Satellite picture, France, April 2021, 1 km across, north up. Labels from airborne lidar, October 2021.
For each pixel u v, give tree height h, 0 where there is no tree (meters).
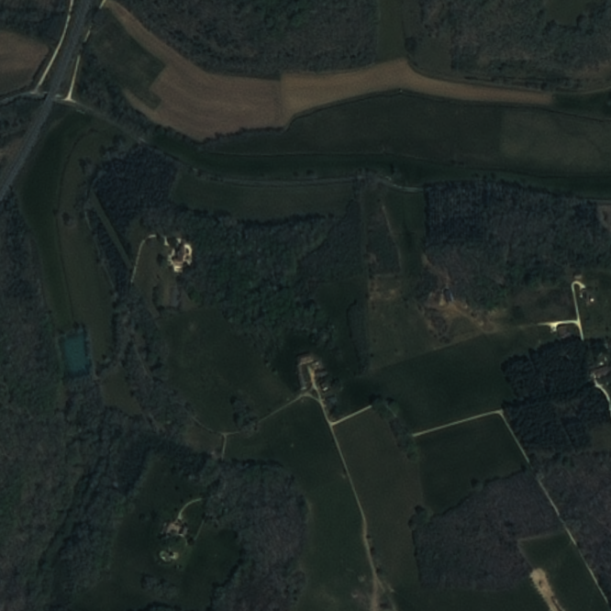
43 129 6
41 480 26
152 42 0
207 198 0
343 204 0
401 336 0
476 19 19
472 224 0
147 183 15
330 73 15
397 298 0
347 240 9
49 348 16
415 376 0
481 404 0
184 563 0
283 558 22
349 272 11
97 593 0
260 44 14
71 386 23
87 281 0
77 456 30
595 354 12
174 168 14
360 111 0
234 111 0
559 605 0
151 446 8
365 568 0
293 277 14
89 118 0
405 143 0
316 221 17
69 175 0
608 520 11
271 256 22
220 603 17
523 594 0
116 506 25
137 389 14
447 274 13
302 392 9
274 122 0
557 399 20
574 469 17
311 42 18
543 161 0
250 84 0
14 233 16
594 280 0
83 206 7
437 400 0
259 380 0
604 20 14
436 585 9
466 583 11
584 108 0
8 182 0
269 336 21
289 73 19
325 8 17
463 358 0
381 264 11
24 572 21
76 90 0
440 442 0
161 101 0
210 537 0
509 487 13
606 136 0
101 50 0
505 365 0
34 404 26
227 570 0
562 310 0
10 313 19
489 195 18
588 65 18
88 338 14
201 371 0
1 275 20
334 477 0
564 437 8
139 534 0
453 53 10
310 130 0
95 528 19
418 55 0
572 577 0
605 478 7
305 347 0
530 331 0
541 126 0
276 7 15
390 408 15
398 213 0
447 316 0
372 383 0
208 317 0
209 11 15
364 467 0
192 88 0
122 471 7
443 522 11
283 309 22
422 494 0
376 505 0
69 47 0
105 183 14
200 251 23
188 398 0
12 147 8
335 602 0
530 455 20
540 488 16
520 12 20
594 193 0
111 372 15
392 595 0
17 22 13
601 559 16
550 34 22
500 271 18
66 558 13
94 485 20
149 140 24
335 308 0
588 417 7
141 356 14
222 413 0
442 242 9
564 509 13
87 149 0
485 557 9
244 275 27
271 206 0
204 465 6
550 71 14
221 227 24
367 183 11
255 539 20
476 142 0
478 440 0
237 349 0
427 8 17
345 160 0
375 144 0
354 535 0
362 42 12
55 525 15
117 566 0
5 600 10
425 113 0
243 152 0
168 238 14
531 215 18
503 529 6
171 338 0
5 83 0
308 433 0
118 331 20
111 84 11
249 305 24
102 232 15
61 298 0
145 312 21
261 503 17
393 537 0
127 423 17
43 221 0
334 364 0
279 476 20
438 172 0
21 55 0
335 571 0
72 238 0
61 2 10
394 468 0
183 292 11
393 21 0
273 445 0
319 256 12
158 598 17
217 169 0
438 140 0
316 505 0
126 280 13
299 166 0
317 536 0
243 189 0
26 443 22
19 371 19
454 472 0
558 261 8
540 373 0
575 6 0
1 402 24
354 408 0
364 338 11
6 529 22
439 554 9
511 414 8
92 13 10
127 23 0
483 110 0
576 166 0
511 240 12
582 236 20
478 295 18
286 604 9
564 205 20
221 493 24
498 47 22
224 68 16
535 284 21
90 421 16
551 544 0
